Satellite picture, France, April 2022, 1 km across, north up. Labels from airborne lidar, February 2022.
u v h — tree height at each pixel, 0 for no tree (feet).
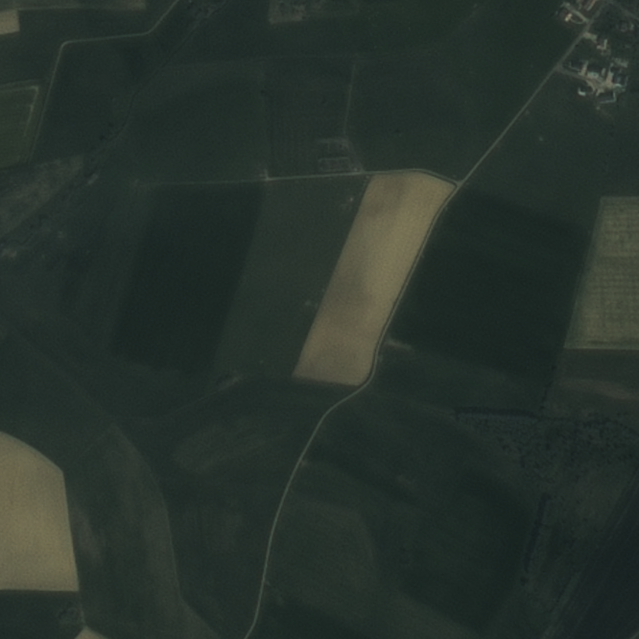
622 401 0
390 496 0
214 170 0
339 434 0
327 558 0
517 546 0
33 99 0
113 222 0
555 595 0
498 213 0
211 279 0
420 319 0
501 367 0
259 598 0
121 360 0
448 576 0
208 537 0
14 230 0
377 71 0
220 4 37
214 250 0
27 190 0
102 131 0
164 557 0
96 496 0
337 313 0
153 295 0
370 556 0
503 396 0
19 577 0
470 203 0
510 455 85
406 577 0
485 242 0
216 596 0
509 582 0
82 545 0
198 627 0
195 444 0
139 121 0
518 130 0
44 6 0
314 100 0
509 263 0
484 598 0
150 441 0
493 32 0
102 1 0
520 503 0
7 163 0
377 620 0
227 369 0
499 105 0
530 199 0
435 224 0
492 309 0
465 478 0
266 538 0
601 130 0
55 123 0
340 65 0
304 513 0
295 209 0
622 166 0
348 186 0
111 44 0
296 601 0
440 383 0
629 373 0
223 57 0
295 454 0
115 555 0
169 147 0
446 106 0
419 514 0
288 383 0
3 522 0
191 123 0
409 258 0
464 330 0
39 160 0
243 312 0
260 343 0
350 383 0
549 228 0
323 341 0
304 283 0
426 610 0
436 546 0
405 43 0
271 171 0
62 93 0
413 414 0
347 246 0
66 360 0
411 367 0
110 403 0
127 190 0
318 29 0
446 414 0
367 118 0
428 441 0
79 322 0
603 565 0
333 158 0
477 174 0
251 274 0
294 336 0
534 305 0
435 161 0
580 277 0
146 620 0
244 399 0
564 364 0
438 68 0
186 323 0
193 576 0
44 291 0
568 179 0
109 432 0
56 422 0
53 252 0
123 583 0
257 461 0
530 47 0
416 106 0
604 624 0
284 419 0
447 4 0
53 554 0
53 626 0
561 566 0
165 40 0
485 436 85
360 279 0
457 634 0
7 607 0
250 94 0
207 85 0
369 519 0
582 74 0
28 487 0
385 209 0
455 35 0
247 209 0
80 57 0
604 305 0
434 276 0
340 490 0
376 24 0
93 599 0
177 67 0
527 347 0
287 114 0
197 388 0
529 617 0
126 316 0
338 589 0
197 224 0
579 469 0
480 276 0
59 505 0
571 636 0
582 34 0
